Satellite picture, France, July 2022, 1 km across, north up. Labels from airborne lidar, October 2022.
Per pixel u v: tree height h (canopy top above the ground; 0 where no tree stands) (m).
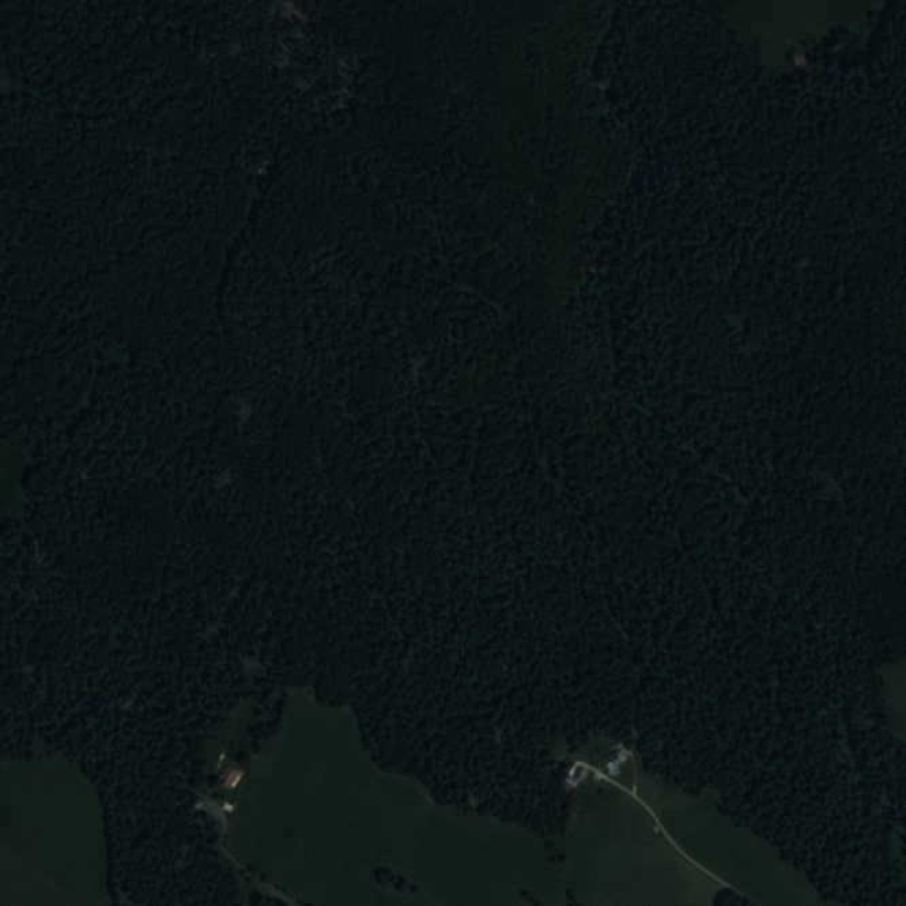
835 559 16
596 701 13
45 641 24
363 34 30
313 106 28
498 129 16
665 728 8
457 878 0
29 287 22
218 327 20
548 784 13
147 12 6
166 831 17
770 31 0
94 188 24
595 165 21
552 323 21
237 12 23
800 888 0
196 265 22
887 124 26
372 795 0
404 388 15
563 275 19
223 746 0
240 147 26
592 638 17
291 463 24
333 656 23
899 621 15
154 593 24
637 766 0
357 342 17
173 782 28
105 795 23
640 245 38
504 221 16
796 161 22
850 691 26
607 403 29
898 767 16
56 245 20
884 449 12
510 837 0
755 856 0
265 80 22
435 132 21
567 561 21
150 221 25
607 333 33
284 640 12
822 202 25
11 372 13
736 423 17
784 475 20
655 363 30
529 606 20
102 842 0
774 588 25
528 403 20
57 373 22
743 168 25
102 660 31
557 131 15
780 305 15
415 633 18
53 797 0
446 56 21
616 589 13
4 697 27
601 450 25
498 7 23
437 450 16
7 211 22
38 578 28
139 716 21
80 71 17
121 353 6
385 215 22
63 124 21
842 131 29
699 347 14
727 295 19
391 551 14
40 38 24
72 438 28
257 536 24
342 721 0
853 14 0
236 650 28
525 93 14
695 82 19
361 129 24
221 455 25
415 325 13
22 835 0
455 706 13
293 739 0
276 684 13
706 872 0
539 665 23
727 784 22
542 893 0
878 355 13
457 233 15
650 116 35
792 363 11
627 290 19
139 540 22
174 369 21
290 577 19
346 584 8
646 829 0
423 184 24
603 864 0
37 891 0
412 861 0
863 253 24
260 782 0
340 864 0
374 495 20
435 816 0
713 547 24
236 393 25
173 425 18
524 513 14
